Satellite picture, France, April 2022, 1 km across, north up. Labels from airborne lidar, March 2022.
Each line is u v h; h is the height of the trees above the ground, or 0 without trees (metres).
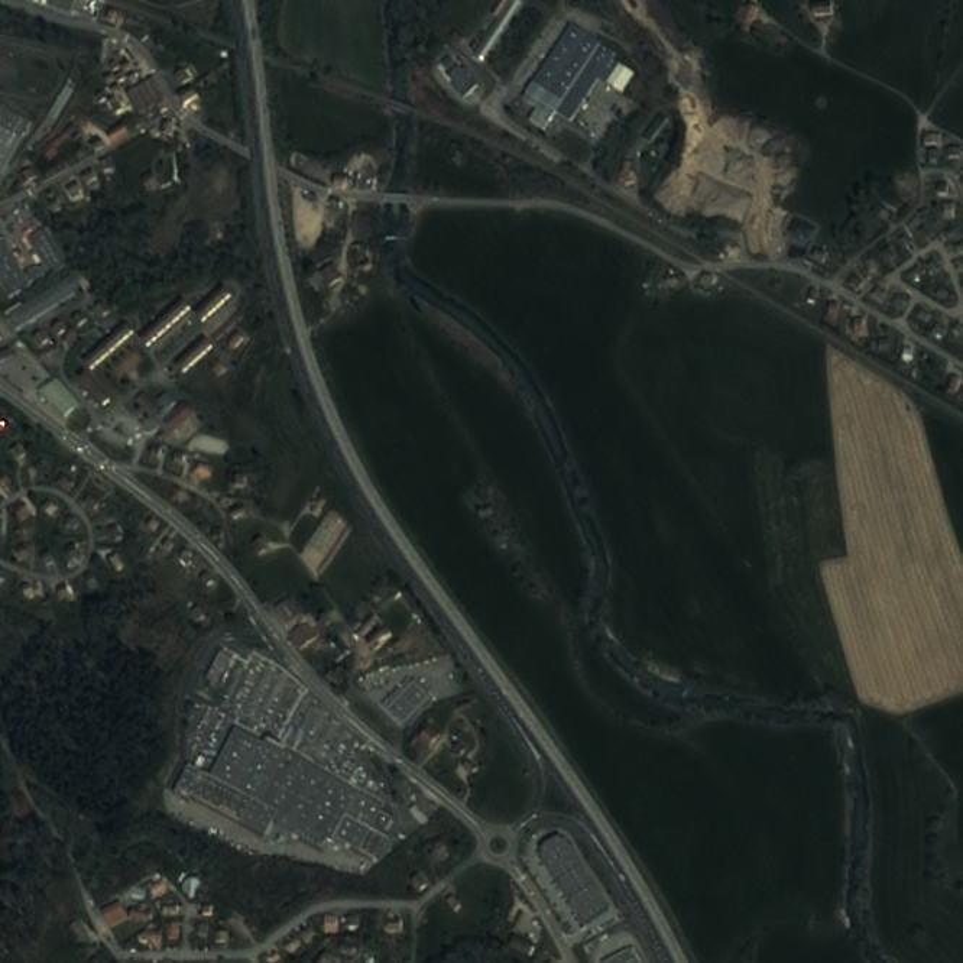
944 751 0
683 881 0
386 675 0
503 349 0
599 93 0
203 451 0
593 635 18
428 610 11
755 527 0
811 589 0
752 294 0
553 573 0
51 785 31
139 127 0
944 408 0
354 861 0
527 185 21
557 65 0
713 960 0
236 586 0
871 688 0
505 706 0
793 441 0
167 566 0
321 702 0
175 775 0
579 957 0
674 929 0
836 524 0
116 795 25
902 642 0
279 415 0
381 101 0
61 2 0
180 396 0
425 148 0
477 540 0
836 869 0
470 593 0
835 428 0
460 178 0
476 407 0
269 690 0
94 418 0
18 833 13
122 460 0
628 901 0
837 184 0
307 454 0
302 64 0
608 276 0
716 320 0
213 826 0
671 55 0
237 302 0
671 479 0
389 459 0
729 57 0
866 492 0
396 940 0
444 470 0
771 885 0
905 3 0
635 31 0
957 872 0
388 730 0
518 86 0
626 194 0
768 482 0
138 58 0
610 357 0
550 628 0
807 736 0
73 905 0
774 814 0
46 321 0
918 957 0
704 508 0
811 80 0
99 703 34
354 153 0
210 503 0
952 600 0
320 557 0
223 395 0
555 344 0
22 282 0
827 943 0
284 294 0
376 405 0
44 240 0
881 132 0
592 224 0
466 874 0
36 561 0
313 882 0
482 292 0
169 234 0
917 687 0
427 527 0
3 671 0
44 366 0
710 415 0
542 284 0
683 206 0
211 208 0
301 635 0
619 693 0
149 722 18
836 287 0
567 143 0
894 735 0
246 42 0
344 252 0
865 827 0
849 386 0
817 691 0
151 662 23
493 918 0
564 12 0
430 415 0
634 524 0
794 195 0
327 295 0
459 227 0
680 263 0
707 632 0
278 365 0
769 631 0
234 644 0
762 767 0
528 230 0
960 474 0
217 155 11
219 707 0
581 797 0
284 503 0
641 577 0
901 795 0
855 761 0
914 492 0
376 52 0
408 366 0
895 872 0
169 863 0
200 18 0
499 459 0
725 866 0
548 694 0
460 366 0
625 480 0
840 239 13
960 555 0
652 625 0
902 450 0
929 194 0
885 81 0
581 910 0
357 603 0
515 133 0
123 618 18
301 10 0
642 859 0
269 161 0
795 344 0
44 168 0
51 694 18
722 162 0
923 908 0
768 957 0
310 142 0
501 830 0
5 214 0
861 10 0
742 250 0
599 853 0
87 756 28
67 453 0
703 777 0
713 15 13
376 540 0
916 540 0
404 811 0
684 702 0
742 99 0
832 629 0
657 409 0
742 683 0
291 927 0
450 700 0
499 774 0
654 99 0
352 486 0
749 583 0
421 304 0
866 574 0
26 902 22
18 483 0
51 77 0
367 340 0
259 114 0
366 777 0
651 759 0
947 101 0
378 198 0
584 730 0
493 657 0
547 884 0
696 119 0
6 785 28
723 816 0
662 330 0
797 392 0
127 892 0
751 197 0
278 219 0
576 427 0
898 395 0
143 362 0
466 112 0
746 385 0
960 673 0
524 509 0
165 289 13
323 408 0
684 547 0
